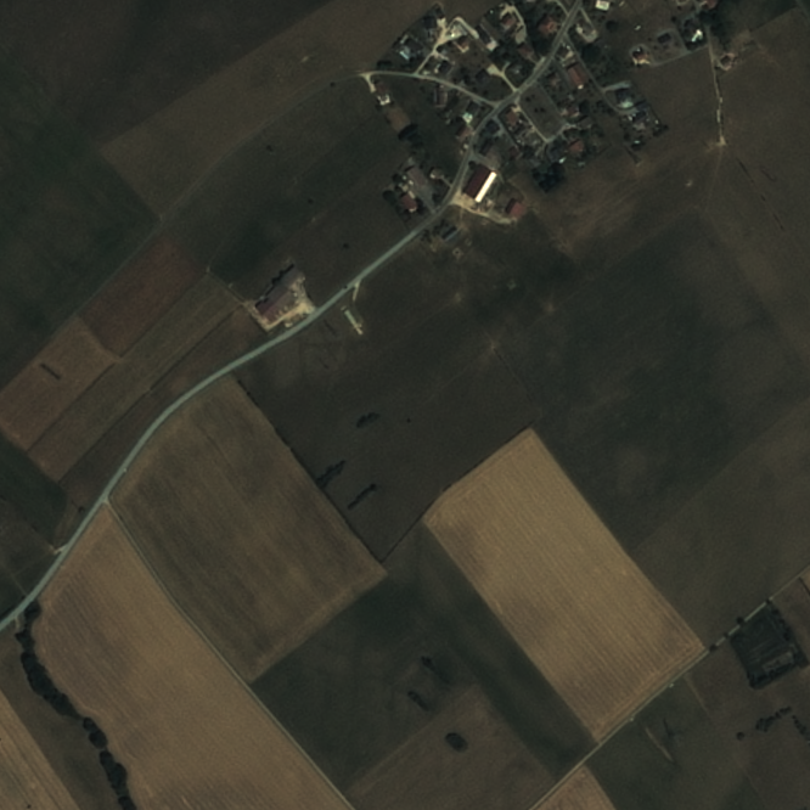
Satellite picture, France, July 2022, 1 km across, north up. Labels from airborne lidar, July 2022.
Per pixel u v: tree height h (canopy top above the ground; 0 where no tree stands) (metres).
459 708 0
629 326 0
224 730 0
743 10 0
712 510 0
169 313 0
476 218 0
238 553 0
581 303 0
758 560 0
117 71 0
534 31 13
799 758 0
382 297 0
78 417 0
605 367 0
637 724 0
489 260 0
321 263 0
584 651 0
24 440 0
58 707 19
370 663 0
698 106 0
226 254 0
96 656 0
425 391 0
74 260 0
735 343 0
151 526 0
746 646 0
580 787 0
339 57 0
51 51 0
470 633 0
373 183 0
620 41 0
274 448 0
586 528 0
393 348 0
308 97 0
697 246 0
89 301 0
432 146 0
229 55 0
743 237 0
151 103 0
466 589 0
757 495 0
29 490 0
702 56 0
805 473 0
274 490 0
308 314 0
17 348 0
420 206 7
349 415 0
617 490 0
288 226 0
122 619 0
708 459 0
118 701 0
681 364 0
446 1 0
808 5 0
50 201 0
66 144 0
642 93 0
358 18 0
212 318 0
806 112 0
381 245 0
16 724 0
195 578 0
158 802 0
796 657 7
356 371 0
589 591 0
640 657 0
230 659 0
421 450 0
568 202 0
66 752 0
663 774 0
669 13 0
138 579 0
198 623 0
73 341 0
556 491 0
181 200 0
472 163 7
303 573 0
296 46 0
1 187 0
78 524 0
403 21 0
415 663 0
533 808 0
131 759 0
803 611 0
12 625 0
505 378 0
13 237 0
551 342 0
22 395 0
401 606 0
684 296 0
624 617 0
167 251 0
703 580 0
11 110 0
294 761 0
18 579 0
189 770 0
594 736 0
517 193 0
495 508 0
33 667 15
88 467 0
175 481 0
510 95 0
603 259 0
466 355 0
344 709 0
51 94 0
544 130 0
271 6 0
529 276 0
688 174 0
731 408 0
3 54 0
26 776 0
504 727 0
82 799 0
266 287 0
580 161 6
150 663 0
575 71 0
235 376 0
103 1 0
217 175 0
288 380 0
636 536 0
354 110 0
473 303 0
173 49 0
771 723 7
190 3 0
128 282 0
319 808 0
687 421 0
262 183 0
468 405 0
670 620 0
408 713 0
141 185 0
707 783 0
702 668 0
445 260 0
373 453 0
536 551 0
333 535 0
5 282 0
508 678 0
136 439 0
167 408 0
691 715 0
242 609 0
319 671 0
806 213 0
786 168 0
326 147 0
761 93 0
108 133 0
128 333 0
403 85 0
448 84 0
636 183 0
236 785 0
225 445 0
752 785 0
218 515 0
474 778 0
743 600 0
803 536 0
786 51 0
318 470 0
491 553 0
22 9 0
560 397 0
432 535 0
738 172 0
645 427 0
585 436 0
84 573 0
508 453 0
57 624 0
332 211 0
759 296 0
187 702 0
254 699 0
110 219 0
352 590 0
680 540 0
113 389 0
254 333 0
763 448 0
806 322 0
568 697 0
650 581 0
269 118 0
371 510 0
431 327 0
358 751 0
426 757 0
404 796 0
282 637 0
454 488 0
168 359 0
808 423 0
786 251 0
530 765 0
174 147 0
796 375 0
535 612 0
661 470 0
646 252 0
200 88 0
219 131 0
